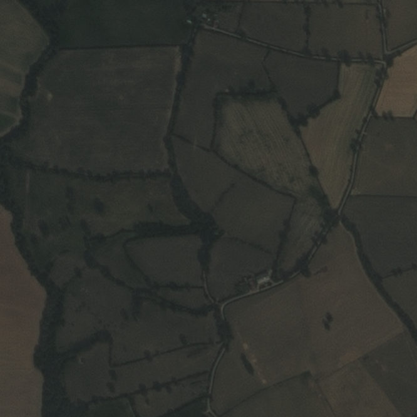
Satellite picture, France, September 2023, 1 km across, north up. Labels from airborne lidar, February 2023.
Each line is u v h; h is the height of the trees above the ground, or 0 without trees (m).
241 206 0
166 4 0
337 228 0
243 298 0
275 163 0
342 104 0
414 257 0
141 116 0
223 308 0
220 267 0
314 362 0
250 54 0
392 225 0
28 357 0
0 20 0
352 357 0
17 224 18
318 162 0
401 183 0
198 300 0
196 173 0
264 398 0
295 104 0
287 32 0
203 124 0
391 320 0
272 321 0
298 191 0
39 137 0
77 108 0
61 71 0
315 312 0
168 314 0
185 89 0
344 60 18
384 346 0
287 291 0
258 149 0
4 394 0
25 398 0
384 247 0
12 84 0
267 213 0
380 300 0
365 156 0
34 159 0
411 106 0
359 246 13
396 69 0
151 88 0
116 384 0
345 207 0
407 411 0
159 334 0
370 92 0
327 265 0
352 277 0
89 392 0
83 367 0
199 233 5
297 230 0
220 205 0
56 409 20
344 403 0
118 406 0
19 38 0
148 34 0
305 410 0
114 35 0
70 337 0
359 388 0
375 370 0
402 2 0
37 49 0
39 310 0
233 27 0
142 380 0
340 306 0
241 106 0
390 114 15
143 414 0
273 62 0
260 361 0
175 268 0
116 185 0
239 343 0
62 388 19
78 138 0
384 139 0
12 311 0
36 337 0
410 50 0
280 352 0
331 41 0
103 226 0
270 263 0
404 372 0
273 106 0
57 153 0
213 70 0
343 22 0
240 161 0
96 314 0
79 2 0
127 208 0
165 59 0
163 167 0
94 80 0
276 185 0
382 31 9
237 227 0
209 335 0
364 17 0
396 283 0
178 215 0
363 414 0
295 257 0
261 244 0
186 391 0
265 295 0
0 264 0
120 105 0
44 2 0
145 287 0
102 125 0
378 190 0
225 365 0
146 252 0
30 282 0
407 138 0
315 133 0
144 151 0
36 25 0
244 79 0
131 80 0
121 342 0
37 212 0
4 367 0
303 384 0
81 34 0
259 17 15
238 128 0
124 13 0
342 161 0
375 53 0
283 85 0
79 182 0
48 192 0
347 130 0
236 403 0
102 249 0
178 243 0
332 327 0
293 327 0
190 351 0
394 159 0
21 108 19
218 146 0
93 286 0
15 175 0
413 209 0
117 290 0
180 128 0
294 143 0
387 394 0
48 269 18
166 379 0
